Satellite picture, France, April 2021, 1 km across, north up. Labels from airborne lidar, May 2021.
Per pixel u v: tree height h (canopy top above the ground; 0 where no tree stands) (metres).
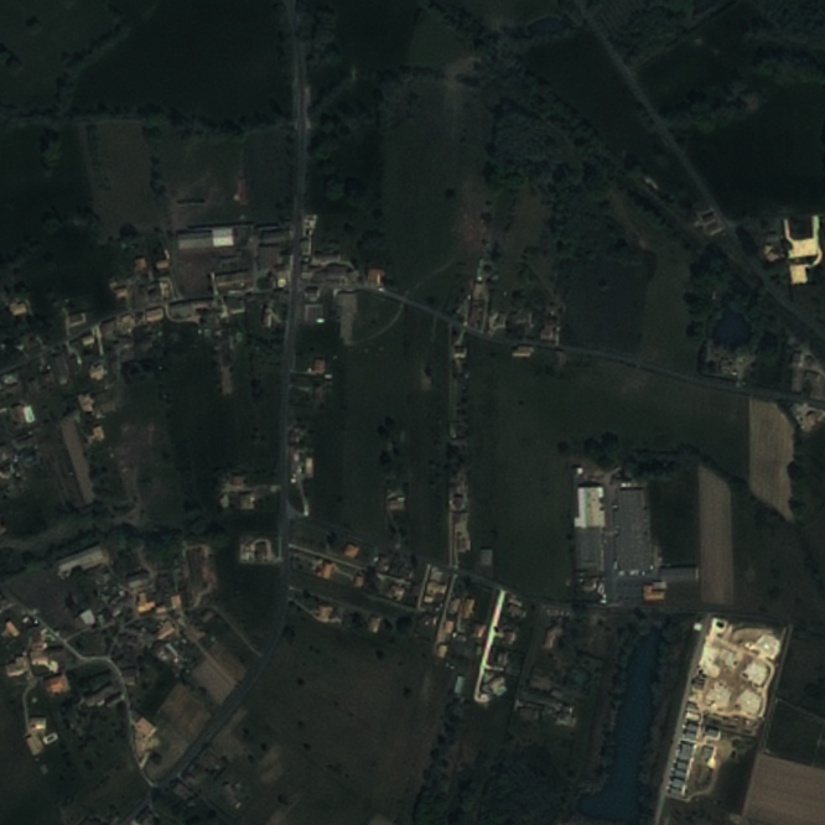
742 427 0
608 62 0
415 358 0
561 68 0
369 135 0
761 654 0
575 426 0
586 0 17
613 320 0
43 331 11
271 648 0
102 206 0
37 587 0
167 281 0
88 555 0
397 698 0
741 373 0
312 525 0
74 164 0
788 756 0
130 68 0
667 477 17
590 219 16
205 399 0
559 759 0
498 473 0
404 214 0
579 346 0
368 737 0
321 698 0
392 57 0
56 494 0
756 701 0
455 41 0
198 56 0
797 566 0
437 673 0
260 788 0
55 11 0
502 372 0
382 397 0
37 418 0
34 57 0
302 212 15
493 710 0
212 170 0
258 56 0
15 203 0
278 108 0
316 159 18
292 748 0
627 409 0
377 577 13
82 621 0
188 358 0
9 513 0
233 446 0
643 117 11
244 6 0
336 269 0
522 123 23
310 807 0
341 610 0
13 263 14
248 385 0
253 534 0
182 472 9
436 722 0
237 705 0
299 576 0
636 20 15
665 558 0
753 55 0
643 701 0
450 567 0
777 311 10
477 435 0
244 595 0
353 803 0
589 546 0
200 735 0
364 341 0
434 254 0
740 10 0
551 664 0
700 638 0
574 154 0
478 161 0
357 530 0
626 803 0
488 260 9
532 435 0
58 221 7
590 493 0
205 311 6
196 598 0
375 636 0
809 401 0
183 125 28
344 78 14
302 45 15
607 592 0
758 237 9
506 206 0
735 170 0
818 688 0
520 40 22
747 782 0
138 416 0
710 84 0
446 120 0
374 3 0
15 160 0
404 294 0
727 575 0
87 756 0
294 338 0
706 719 0
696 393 0
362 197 27
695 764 0
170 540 15
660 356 0
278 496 0
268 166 0
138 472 0
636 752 0
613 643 0
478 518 0
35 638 0
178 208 0
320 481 0
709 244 0
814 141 0
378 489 0
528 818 21
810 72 20
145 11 0
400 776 0
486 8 0
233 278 0
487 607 0
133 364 8
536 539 0
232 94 0
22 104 0
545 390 0
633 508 0
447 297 0
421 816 13
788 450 0
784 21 18
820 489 0
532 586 0
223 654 0
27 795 0
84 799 0
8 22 0
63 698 0
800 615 0
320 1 0
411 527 0
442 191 0
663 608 0
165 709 0
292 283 0
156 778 0
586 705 0
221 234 0
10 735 0
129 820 0
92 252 0
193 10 0
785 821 0
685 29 9
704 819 9
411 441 0
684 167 0
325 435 0
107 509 8
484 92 0
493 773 6
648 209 26
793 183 0
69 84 14
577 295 0
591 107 0
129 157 0
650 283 0
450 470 7
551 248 13
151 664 9
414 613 0
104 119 21
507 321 7
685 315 0
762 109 0
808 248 0
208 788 0
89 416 7
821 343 9
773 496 0
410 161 0
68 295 0
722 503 0
